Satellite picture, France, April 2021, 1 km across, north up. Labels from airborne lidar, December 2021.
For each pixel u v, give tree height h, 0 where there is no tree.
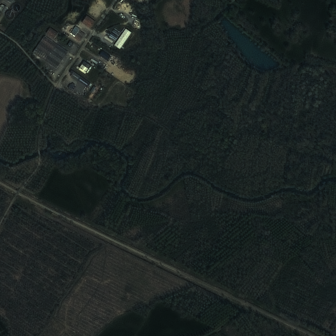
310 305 7
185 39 16
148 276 0
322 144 21
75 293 0
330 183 25
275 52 13
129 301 0
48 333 0
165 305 20
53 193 0
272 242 26
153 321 0
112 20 0
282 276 10
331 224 24
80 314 0
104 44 8
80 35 0
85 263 6
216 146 22
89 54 0
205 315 25
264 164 28
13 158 28
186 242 6
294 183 24
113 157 23
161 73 17
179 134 18
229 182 21
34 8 18
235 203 17
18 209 16
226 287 21
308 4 0
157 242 21
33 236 8
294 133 20
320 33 0
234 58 26
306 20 0
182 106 22
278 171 27
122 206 24
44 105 28
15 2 0
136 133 8
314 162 22
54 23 11
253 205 16
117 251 0
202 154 20
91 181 0
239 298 0
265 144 20
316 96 24
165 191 10
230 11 25
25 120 23
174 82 10
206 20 20
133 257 0
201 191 29
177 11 0
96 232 0
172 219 25
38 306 9
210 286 0
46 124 29
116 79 0
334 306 6
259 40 12
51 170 23
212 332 22
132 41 0
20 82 0
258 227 23
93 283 0
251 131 16
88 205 0
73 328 0
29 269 6
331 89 22
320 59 8
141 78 12
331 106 24
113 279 0
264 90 16
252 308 0
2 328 0
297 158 28
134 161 26
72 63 0
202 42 11
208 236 7
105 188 0
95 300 0
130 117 19
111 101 0
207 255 7
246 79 17
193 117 20
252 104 42
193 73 20
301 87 21
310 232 33
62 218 15
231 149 22
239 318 29
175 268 0
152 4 11
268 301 22
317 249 18
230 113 36
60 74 0
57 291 6
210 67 28
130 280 0
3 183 0
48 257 10
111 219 26
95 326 0
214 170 25
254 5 0
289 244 22
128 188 25
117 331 0
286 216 13
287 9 0
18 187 22
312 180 30
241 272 7
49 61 0
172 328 0
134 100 13
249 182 26
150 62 11
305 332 0
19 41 11
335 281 12
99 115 10
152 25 28
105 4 0
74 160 25
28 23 9
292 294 15
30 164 28
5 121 0
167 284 0
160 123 20
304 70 27
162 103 11
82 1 15
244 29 14
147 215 20
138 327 0
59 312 0
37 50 0
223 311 27
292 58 0
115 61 0
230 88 36
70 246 8
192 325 0
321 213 11
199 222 6
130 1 7
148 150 23
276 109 26
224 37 24
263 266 7
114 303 0
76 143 14
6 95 0
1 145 29
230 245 14
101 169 24
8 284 6
